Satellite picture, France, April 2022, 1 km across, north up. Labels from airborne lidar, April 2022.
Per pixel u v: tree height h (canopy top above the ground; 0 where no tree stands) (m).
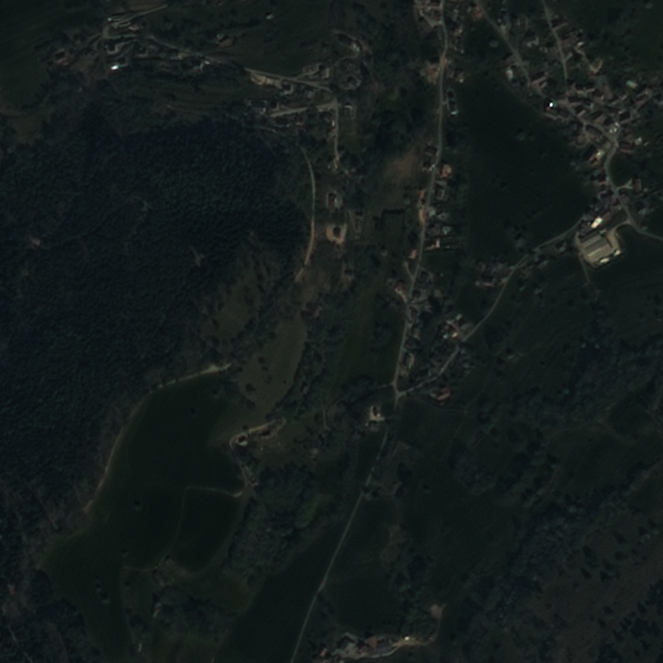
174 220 20
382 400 20
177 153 24
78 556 0
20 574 29
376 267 20
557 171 0
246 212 26
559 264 0
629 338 0
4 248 26
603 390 22
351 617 0
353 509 0
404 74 17
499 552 0
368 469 0
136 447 0
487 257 0
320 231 0
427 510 0
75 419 23
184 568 0
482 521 0
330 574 0
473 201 0
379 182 27
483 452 0
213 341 13
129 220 18
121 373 25
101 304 26
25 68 0
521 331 0
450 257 0
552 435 18
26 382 24
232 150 19
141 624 21
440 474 0
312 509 31
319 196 9
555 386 0
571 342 0
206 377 0
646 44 0
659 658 0
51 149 15
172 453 0
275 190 22
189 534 0
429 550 0
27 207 13
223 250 30
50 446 22
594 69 0
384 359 0
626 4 0
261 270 10
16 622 19
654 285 0
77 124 15
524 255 7
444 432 0
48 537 25
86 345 24
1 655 19
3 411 24
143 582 0
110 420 22
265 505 23
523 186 0
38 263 16
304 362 7
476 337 0
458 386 6
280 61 0
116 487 0
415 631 15
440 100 0
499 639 0
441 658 0
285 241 29
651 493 0
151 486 0
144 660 25
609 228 0
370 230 0
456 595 0
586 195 0
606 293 0
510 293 0
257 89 0
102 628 0
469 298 0
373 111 21
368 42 6
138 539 0
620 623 0
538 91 0
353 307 20
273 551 29
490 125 0
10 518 27
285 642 0
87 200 18
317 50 0
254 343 21
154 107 8
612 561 0
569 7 0
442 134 0
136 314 21
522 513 0
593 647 0
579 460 0
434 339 15
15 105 0
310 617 0
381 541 0
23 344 20
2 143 0
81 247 15
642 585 0
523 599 25
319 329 24
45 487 16
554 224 0
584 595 0
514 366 0
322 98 0
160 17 0
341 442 12
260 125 14
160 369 21
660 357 10
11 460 20
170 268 20
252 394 17
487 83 0
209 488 0
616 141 0
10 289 23
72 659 17
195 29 16
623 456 0
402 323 0
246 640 0
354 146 0
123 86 12
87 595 0
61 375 24
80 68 0
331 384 16
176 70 7
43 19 0
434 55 0
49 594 31
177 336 24
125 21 0
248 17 0
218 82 20
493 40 7
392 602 0
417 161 0
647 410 19
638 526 0
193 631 25
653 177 15
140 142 24
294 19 0
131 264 23
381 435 0
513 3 0
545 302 8
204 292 20
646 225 6
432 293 0
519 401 9
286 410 16
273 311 20
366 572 0
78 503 25
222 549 0
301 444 9
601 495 0
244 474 19
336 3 6
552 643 18
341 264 13
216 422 0
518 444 24
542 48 0
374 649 0
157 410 0
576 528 20
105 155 25
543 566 20
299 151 18
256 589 25
